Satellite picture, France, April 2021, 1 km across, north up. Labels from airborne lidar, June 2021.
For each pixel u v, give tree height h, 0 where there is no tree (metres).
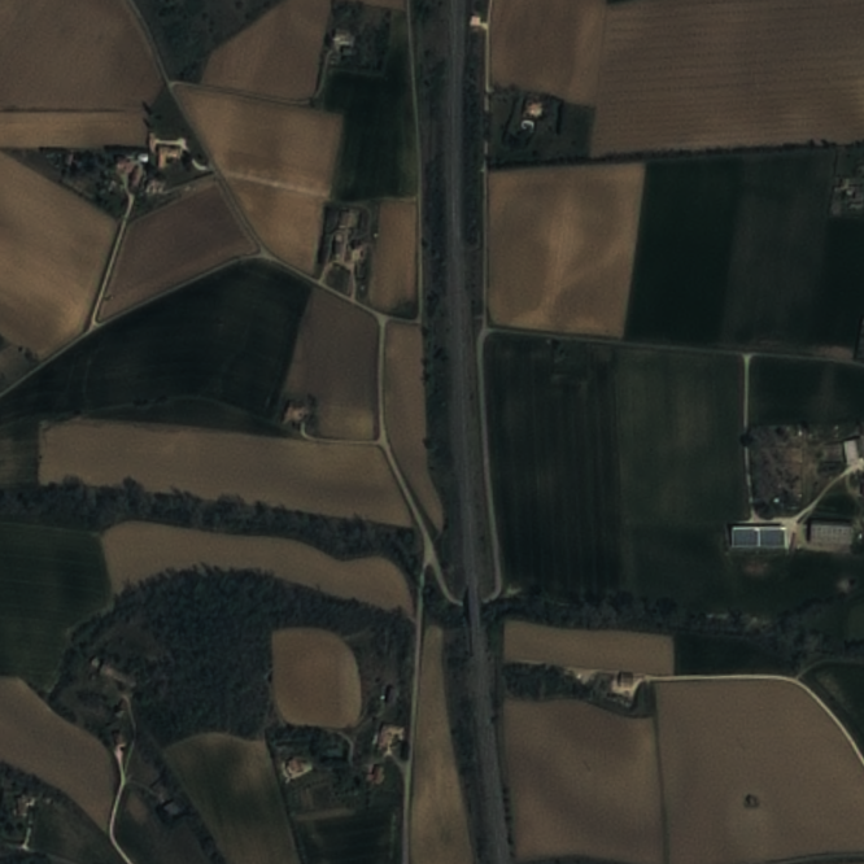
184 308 0
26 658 0
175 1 8
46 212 0
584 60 0
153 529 0
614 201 0
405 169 0
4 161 0
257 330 0
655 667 0
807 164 0
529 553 0
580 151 0
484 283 0
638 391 0
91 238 0
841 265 0
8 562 0
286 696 0
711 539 0
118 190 0
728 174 0
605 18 0
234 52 0
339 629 10
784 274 0
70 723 7
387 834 0
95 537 0
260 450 0
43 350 0
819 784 0
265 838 0
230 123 0
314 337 0
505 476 0
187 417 0
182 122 0
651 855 0
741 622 16
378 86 0
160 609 10
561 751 0
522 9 0
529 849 0
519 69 0
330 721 0
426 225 0
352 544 10
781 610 0
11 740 0
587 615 32
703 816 0
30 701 0
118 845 0
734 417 0
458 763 0
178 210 0
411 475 0
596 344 0
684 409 0
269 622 14
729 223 0
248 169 0
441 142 0
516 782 0
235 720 12
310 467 0
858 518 0
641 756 0
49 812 0
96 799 0
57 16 0
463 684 0
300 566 0
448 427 0
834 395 0
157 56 0
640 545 0
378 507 0
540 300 0
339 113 0
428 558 0
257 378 0
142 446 0
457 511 0
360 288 0
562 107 7
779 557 0
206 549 0
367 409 0
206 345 0
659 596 0
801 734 0
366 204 0
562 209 0
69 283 0
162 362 0
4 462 0
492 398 0
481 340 0
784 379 0
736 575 0
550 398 0
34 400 0
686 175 0
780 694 0
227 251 0
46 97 0
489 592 0
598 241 0
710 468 0
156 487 0
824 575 0
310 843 0
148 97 0
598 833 0
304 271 0
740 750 0
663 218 0
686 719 0
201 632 13
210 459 0
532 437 0
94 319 0
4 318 0
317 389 0
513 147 8
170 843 0
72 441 0
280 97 0
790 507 14
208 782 0
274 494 0
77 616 0
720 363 0
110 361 0
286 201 0
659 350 0
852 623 0
